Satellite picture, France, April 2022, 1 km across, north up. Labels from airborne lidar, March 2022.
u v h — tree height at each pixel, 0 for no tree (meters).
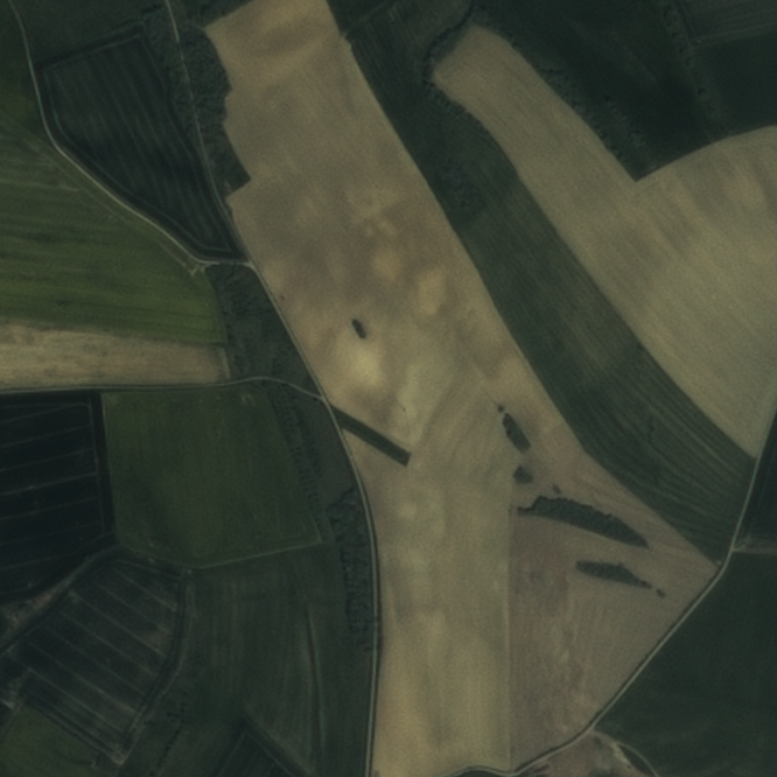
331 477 0
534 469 0
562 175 0
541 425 0
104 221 0
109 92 0
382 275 0
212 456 0
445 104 12
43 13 0
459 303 0
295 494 0
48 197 0
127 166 0
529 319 0
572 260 0
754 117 0
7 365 0
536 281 0
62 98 0
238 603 0
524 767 0
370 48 0
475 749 0
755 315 0
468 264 0
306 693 0
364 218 0
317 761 0
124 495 0
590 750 0
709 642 0
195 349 0
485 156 0
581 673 0
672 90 0
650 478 0
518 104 0
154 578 0
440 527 0
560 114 0
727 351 0
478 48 0
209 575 0
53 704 0
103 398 0
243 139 0
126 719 0
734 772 0
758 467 0
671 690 0
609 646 0
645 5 0
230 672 0
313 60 0
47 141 0
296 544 0
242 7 14
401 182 0
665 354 0
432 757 0
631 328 0
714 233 0
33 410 0
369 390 0
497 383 0
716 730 0
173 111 0
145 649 0
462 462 0
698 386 0
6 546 0
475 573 0
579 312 0
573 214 0
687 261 0
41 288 0
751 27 0
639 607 0
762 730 0
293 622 0
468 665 0
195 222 0
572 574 0
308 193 0
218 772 0
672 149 0
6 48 0
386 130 0
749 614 0
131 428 0
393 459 0
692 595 0
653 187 0
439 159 0
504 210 0
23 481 0
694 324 0
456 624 0
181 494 0
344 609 0
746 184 0
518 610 0
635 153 0
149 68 0
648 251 0
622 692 0
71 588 0
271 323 6
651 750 0
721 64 0
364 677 0
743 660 0
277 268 0
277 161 0
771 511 0
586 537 0
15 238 0
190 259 0
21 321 0
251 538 0
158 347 0
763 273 0
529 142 0
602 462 0
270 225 0
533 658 0
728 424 0
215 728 0
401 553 0
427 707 0
